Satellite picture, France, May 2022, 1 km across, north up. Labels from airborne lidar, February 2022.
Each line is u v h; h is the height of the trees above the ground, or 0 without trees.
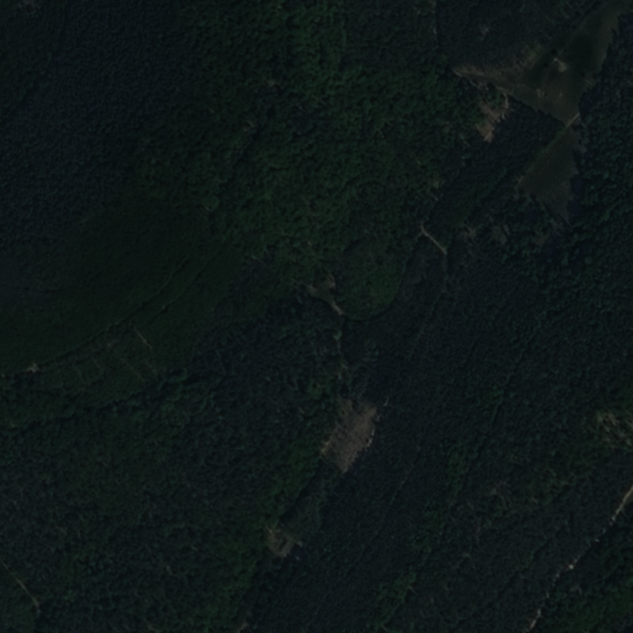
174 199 21
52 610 32
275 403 28
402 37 22
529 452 23
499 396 21
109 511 24
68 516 27
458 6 22
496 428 21
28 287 18
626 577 24
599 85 0
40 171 28
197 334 11
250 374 29
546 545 18
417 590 21
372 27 17
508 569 16
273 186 27
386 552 20
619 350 21
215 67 27
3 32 19
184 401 29
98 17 22
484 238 19
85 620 29
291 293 11
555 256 31
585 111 28
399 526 20
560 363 26
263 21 32
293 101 25
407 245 17
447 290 21
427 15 27
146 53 23
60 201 29
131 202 20
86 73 30
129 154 19
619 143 29
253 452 27
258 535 32
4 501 28
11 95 21
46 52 14
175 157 31
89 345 17
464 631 15
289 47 31
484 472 24
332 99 28
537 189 0
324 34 26
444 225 20
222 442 29
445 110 27
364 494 23
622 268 25
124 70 29
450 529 23
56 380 0
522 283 20
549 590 28
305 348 29
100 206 18
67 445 26
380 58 25
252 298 12
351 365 17
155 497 29
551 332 25
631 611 28
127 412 30
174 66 27
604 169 28
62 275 20
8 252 15
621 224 30
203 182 28
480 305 24
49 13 16
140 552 30
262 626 22
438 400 18
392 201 18
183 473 29
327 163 25
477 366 22
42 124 31
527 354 23
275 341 29
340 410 0
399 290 18
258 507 32
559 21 24
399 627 15
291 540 0
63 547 29
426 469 21
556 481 18
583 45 0
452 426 21
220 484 27
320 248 23
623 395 34
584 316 21
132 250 19
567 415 24
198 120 28
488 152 24
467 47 17
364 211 21
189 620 29
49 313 11
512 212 15
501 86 0
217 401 30
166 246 18
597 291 25
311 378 28
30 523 28
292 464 26
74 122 32
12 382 15
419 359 23
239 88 28
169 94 17
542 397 26
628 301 28
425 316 14
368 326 20
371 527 23
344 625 21
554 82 0
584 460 27
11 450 32
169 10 23
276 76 29
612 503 21
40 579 31
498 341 21
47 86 26
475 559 15
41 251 11
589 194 29
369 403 28
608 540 29
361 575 21
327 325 27
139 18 24
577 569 13
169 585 26
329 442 0
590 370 26
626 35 27
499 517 12
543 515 17
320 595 22
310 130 25
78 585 37
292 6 31
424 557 20
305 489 33
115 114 27
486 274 26
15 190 29
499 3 19
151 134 23
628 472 20
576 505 15
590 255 30
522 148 22
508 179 29
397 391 26
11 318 13
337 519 25
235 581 27
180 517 28
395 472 24
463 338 23
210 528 27
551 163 0
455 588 17
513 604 16
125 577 33
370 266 14
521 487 22
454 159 23
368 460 26
